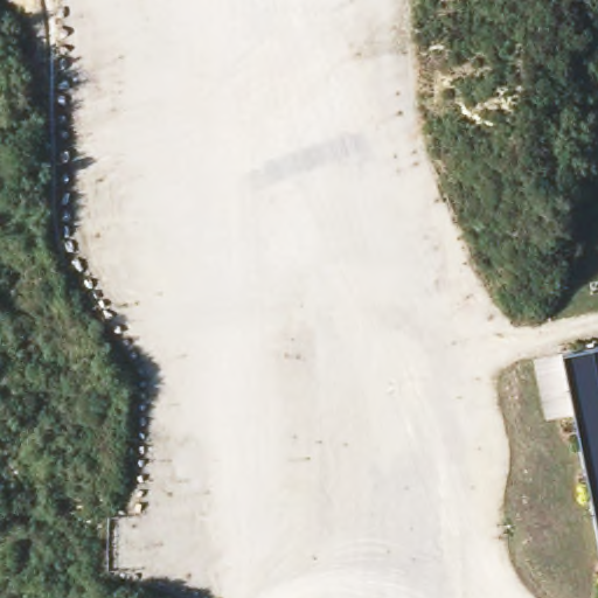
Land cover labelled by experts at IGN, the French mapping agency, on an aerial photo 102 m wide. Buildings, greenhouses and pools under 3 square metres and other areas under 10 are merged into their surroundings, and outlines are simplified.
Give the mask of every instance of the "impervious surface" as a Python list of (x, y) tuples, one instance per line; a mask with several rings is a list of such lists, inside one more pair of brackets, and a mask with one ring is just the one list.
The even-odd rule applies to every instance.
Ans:
[(568, 357), (563, 353), (563, 343), (549, 343), (530, 357), (537, 374), (544, 416), (551, 420), (575, 416), (565, 374)]

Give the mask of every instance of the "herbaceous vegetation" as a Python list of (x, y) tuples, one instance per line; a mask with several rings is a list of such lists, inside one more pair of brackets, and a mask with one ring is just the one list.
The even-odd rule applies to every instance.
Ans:
[[(589, 313), (598, 315), (598, 168), (593, 173), (586, 173), (577, 182), (577, 199), (572, 203), (547, 189), (537, 189), (537, 182), (533, 182), (523, 173), (528, 159), (526, 145), (530, 142), (533, 128), (523, 119), (523, 107), (519, 105), (519, 100), (523, 98), (523, 89), (530, 82), (528, 70), (537, 65), (544, 56), (544, 49), (528, 35), (530, 30), (549, 30), (554, 21), (551, 9), (544, 7), (540, 0), (411, 0), (416, 44), (430, 47), (434, 42), (441, 42), (449, 47), (458, 65), (467, 63), (493, 68), (488, 75), (470, 75), (453, 79), (441, 98), (446, 114), (434, 114), (427, 107), (418, 110), (427, 157), (446, 164), (446, 171), (437, 178), (439, 199), (453, 213), (453, 224), (460, 229), (463, 241), (467, 243), (477, 278), (481, 280), (491, 301), (498, 304), (505, 318), (509, 318), (509, 322), (516, 327), (540, 327), (556, 318), (577, 318)], [(472, 107), (477, 103), (495, 98), (500, 86), (507, 89), (507, 96), (512, 98), (512, 110), (484, 110), (481, 117), (493, 119), (493, 126), (479, 126), (460, 114), (456, 98), (465, 98), (465, 103)]]
[(544, 416), (537, 374), (530, 357), (514, 360), (495, 374), (495, 397), (509, 446), (509, 465), (500, 505), (500, 540), (507, 547), (512, 570), (533, 598), (598, 598), (598, 516), (589, 491), (584, 453), (577, 441), (579, 427), (575, 416), (551, 420)]
[(26, 570), (30, 558), (30, 542), (19, 540), (14, 544), (16, 565)]

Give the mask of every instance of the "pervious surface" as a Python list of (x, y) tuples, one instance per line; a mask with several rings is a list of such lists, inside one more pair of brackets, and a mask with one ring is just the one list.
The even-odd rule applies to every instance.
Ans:
[(453, 213), (439, 199), (437, 178), (446, 171), (446, 164), (427, 157), (418, 110), (427, 107), (434, 114), (446, 114), (441, 98), (453, 79), (470, 75), (488, 75), (493, 68), (467, 63), (458, 65), (449, 47), (441, 42), (434, 42), (430, 47), (416, 44), (411, 0), (0, 0), (0, 19), (9, 14), (12, 21), (19, 26), (16, 49), (30, 75), (26, 84), (26, 96), (44, 117), (42, 131), (33, 138), (33, 154), (47, 161), (51, 171), (51, 178), (44, 185), (44, 201), (49, 208), (47, 248), (56, 262), (58, 273), (65, 280), (65, 287), (79, 297), (86, 315), (100, 325), (100, 341), (110, 350), (110, 362), (114, 364), (114, 371), (131, 385), (128, 432), (121, 470), (124, 486), (112, 498), (114, 509), (124, 519), (119, 519), (117, 528), (107, 528), (105, 540), (110, 544), (98, 551), (93, 561), (93, 577), (103, 589), (128, 589), (140, 593), (142, 598), (533, 598), (512, 570), (507, 547), (500, 540), (500, 505), (509, 465), (509, 446), (495, 397), (495, 374), (514, 360), (530, 357), (549, 343), (563, 343), (563, 353), (568, 357), (598, 353), (598, 315), (589, 313), (577, 318), (556, 318), (540, 327), (516, 327), (509, 322), (509, 318), (505, 318), (498, 304), (491, 301), (481, 280), (477, 278), (467, 243), (463, 241), (460, 229), (453, 224)]
[(477, 103), (472, 107), (465, 103), (465, 98), (456, 98), (460, 114), (479, 126), (493, 126), (493, 119), (481, 117), (484, 110), (512, 110), (512, 98), (507, 96), (507, 89), (500, 86), (495, 98)]

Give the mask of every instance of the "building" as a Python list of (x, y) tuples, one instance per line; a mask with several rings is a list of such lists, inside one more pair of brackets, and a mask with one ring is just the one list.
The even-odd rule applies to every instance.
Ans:
[(584, 453), (589, 491), (598, 516), (598, 353), (568, 357), (565, 374), (575, 416), (579, 427), (577, 441)]

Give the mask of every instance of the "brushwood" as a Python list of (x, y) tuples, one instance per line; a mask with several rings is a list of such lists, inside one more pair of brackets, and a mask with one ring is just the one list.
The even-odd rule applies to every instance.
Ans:
[[(56, 262), (47, 248), (49, 208), (44, 201), (44, 185), (51, 178), (51, 171), (47, 161), (33, 154), (33, 138), (42, 131), (44, 117), (26, 96), (26, 84), (30, 75), (16, 49), (19, 26), (12, 21), (9, 14), (0, 19), (0, 598), (142, 598), (140, 593), (128, 589), (103, 589), (93, 577), (93, 561), (98, 551), (110, 544), (105, 540), (107, 528), (117, 528), (119, 519), (124, 519), (114, 509), (112, 498), (124, 486), (121, 470), (128, 432), (131, 385), (114, 371), (114, 364), (110, 362), (110, 350), (100, 341), (100, 325), (86, 315), (79, 297), (65, 287), (65, 280), (58, 273)], [(19, 540), (30, 542), (30, 558), (26, 570), (16, 565), (14, 544)]]
[(598, 168), (598, 0), (540, 0), (544, 7), (551, 9), (554, 21), (549, 30), (530, 30), (528, 35), (544, 49), (544, 56), (537, 65), (528, 70), (530, 82), (523, 89), (523, 98), (519, 100), (519, 105), (523, 107), (523, 119), (533, 128), (530, 142), (526, 145), (528, 159), (523, 173), (533, 182), (537, 182), (537, 189), (547, 189), (572, 203), (577, 199), (577, 182), (586, 173), (593, 173)]

